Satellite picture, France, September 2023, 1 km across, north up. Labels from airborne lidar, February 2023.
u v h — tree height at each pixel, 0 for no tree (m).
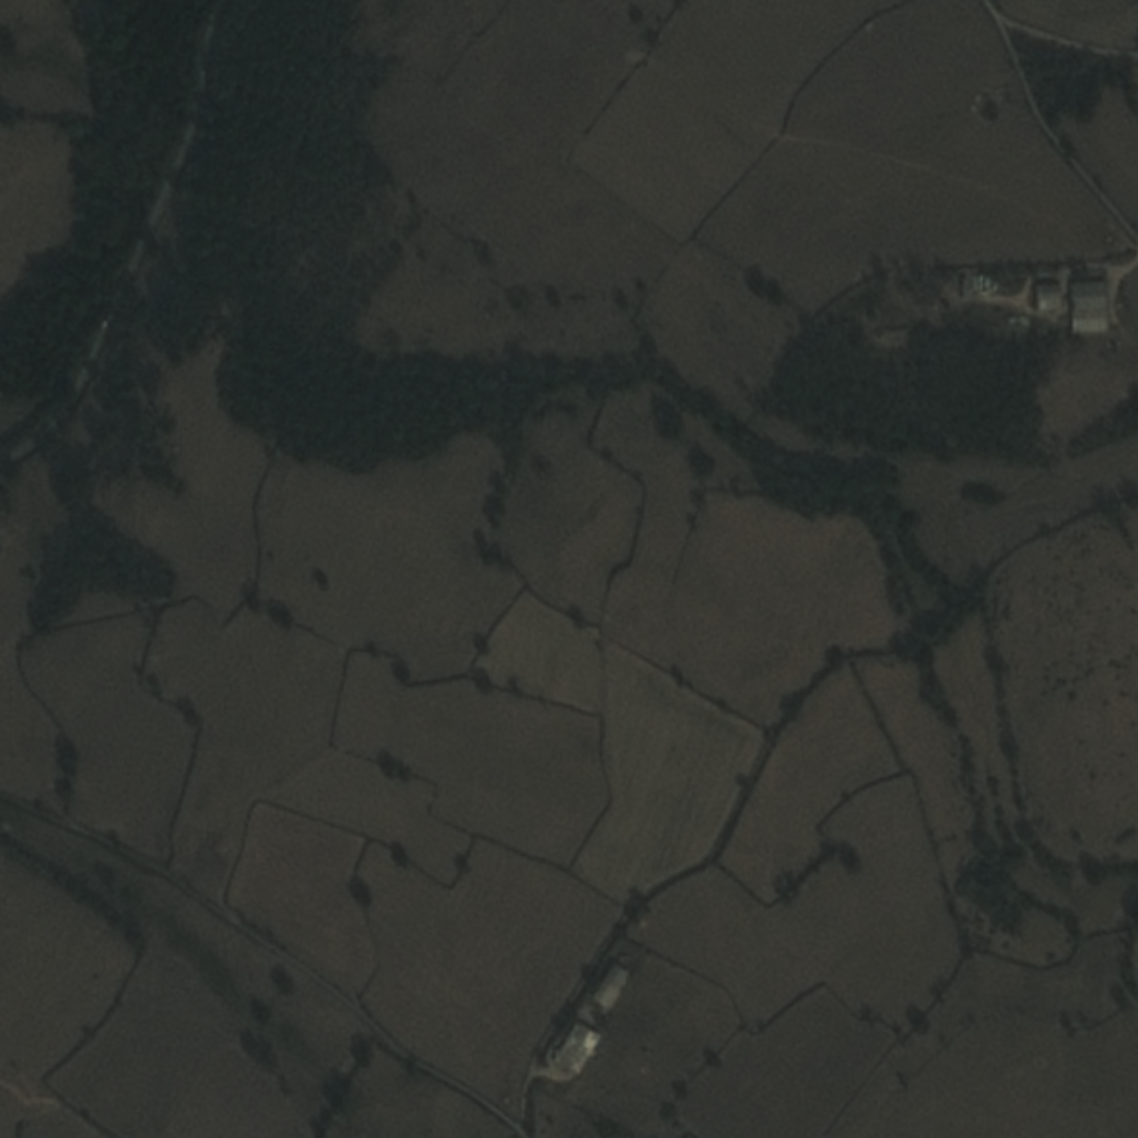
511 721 0
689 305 0
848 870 9
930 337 12
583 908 0
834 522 0
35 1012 0
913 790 0
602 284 0
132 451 11
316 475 0
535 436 0
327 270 6
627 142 0
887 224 0
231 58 20
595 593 0
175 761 0
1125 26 0
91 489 0
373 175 8
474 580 0
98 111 13
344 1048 0
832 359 13
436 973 0
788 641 0
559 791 0
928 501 0
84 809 0
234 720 0
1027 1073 0
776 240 0
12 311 18
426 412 25
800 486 18
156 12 20
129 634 0
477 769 0
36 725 0
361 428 22
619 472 0
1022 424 12
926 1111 0
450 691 0
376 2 0
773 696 0
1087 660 0
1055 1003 0
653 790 0
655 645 0
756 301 0
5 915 0
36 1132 0
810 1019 0
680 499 0
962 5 0
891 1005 0
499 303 0
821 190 0
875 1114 0
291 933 0
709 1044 0
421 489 0
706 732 0
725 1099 0
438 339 0
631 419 0
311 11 22
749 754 0
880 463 11
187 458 0
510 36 0
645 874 0
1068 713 0
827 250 0
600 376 19
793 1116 0
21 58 0
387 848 0
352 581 0
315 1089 0
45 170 0
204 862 0
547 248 0
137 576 20
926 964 0
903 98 0
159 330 11
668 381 20
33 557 0
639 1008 0
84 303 17
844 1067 0
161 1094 0
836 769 0
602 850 0
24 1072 0
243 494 0
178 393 0
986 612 7
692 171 0
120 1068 0
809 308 0
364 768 0
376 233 0
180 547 0
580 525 0
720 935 0
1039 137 0
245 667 0
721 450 0
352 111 16
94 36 22
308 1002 0
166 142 30
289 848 0
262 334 23
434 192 0
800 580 0
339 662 0
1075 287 0
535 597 0
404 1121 0
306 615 0
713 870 0
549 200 0
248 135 20
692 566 0
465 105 0
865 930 0
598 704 0
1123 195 0
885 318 0
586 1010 0
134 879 0
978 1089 0
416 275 0
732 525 0
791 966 0
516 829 0
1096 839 0
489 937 0
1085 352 0
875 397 15
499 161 0
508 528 0
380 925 0
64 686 0
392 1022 0
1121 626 0
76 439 0
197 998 0
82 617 0
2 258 0
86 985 0
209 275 15
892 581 13
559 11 0
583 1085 0
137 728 0
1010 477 0
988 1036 0
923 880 0
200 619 0
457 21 0
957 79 0
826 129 0
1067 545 0
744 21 0
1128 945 8
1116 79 12
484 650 11
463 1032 0
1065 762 0
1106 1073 0
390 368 11
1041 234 0
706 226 0
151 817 0
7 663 0
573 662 0
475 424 14
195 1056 0
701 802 0
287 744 0
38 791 0
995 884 12
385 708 0
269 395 14
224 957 0
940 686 13
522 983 0
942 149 0
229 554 0
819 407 18
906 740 0
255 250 21
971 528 0
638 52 0
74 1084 0
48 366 9
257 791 0
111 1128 0
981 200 0
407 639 0
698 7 0
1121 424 11
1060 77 6
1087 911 0
